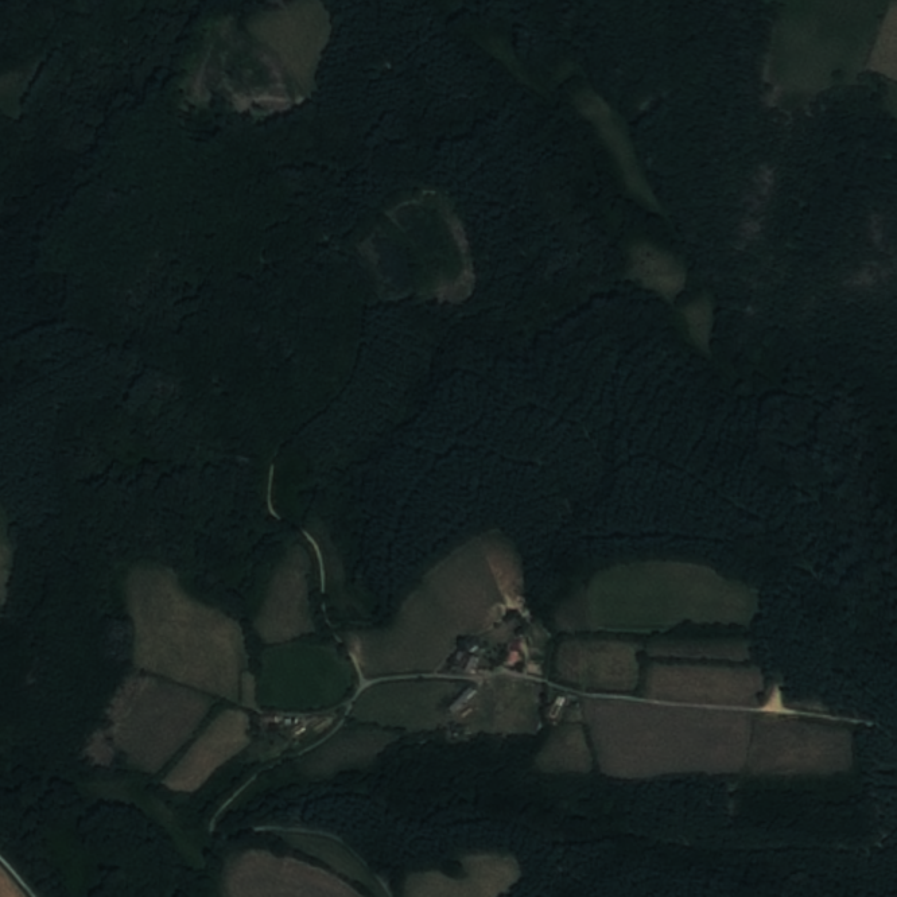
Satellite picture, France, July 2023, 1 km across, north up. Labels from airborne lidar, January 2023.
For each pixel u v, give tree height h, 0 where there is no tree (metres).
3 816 25
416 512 24
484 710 0
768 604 18
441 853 24
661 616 0
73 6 14
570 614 0
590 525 24
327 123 22
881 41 0
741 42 12
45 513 21
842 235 12
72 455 20
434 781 17
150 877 23
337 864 0
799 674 22
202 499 15
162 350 20
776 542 21
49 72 26
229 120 29
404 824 26
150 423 15
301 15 0
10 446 19
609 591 0
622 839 19
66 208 14
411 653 0
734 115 10
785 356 19
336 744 0
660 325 16
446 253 0
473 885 0
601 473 21
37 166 18
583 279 21
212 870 8
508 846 21
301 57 0
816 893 22
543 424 21
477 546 0
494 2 23
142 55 22
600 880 25
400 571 21
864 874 20
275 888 0
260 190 25
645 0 23
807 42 0
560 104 7
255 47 0
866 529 27
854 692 22
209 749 0
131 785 0
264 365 22
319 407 15
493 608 0
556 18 21
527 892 21
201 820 9
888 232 7
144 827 22
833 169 24
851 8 0
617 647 0
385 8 17
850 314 18
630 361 18
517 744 11
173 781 0
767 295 11
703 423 23
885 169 16
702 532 22
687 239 25
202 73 0
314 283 24
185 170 23
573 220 24
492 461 23
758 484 24
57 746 14
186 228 20
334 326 21
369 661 0
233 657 0
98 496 32
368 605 0
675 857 23
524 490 20
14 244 14
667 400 24
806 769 0
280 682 0
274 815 12
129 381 17
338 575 0
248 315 21
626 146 0
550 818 23
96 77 22
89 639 18
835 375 9
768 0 9
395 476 25
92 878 0
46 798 18
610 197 17
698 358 20
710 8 18
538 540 20
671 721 0
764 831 21
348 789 12
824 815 14
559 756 0
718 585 0
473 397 23
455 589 0
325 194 24
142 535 14
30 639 11
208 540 24
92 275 19
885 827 19
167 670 0
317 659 0
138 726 0
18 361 7
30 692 11
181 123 22
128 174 17
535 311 29
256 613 0
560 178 28
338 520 10
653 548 20
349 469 15
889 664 24
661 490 23
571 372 28
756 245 8
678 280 0
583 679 0
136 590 0
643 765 0
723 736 0
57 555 25
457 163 24
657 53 21
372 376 24
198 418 21
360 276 19
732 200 10
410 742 11
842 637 22
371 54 20
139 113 24
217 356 19
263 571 10
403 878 14
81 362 16
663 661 6
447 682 0
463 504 22
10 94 0
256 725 13
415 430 19
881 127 14
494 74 16
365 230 12
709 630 6
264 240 25
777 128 11
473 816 15
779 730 0
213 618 0
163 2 27
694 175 18
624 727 0
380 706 0
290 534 9
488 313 16
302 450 20
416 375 21
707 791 20
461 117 19
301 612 0
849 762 0
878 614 19
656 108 8
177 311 21
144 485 25
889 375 21
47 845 12
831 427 24
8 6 25
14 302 11
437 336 24
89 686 14
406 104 25
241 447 17
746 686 0
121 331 16
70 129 25
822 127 14
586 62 18
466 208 26
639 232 8
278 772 10
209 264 26
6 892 0
